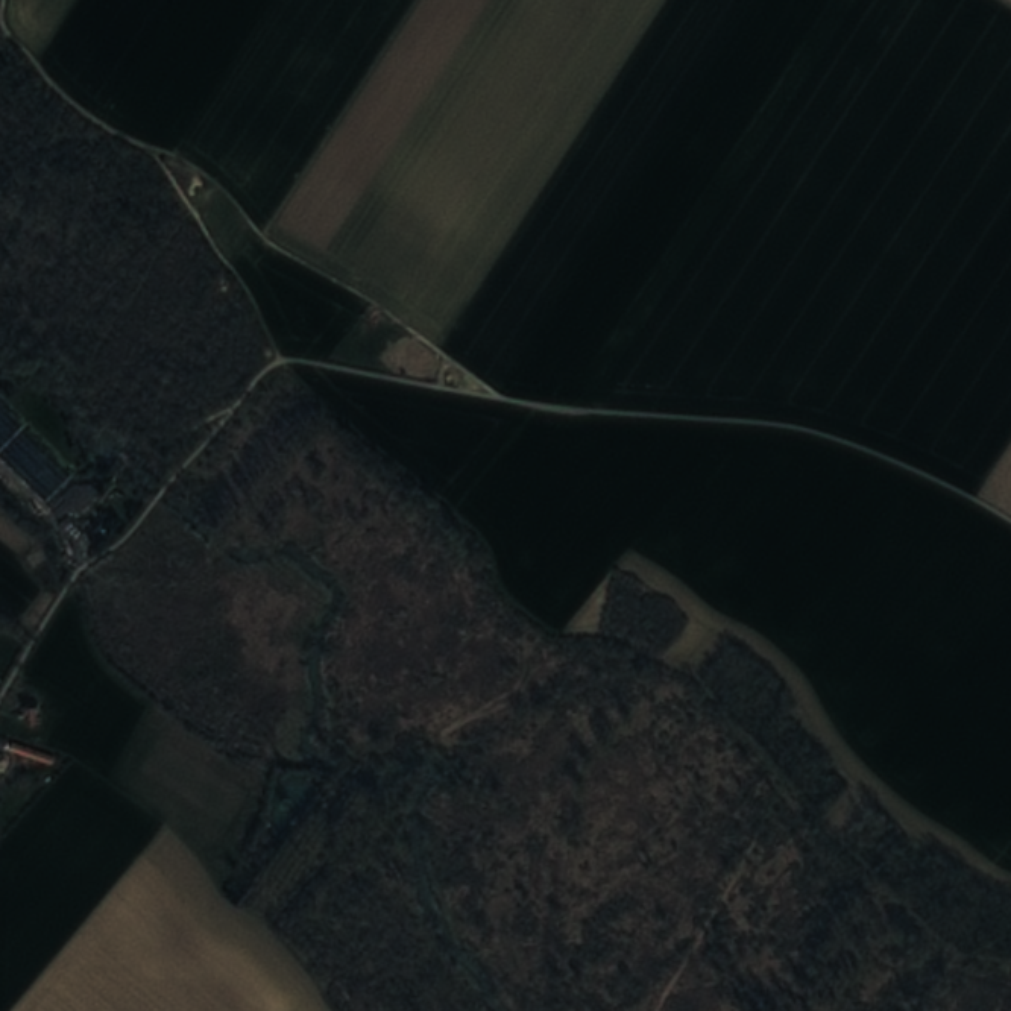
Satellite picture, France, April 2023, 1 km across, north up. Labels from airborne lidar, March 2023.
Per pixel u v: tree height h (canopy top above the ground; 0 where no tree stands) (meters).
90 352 11
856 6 0
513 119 0
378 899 24
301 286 0
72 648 0
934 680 0
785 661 0
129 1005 0
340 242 0
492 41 0
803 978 27
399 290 0
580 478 0
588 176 0
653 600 8
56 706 0
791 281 0
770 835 7
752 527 0
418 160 0
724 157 0
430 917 14
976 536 0
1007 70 0
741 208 0
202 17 0
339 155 0
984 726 0
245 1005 0
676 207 0
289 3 0
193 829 0
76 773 0
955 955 31
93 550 8
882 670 0
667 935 6
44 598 0
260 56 0
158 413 19
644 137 0
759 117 0
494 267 0
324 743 28
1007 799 0
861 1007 19
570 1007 19
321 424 31
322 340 0
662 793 0
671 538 0
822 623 0
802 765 23
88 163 6
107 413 6
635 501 0
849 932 35
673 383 0
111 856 0
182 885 0
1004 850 0
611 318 0
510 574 0
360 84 0
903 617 0
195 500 7
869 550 0
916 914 7
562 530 0
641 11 0
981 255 0
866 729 0
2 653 0
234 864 15
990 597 0
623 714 22
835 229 0
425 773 22
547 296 0
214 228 0
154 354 17
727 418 0
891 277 0
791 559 0
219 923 0
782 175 0
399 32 0
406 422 0
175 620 0
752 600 0
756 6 0
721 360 0
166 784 0
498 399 0
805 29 0
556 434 0
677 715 6
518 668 10
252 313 8
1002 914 24
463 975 0
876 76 0
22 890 0
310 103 0
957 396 0
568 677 7
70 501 0
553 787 0
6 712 0
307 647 6
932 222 0
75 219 21
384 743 18
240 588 0
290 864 25
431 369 0
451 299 0
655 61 0
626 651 17
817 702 0
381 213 0
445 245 0
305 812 5
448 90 0
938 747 0
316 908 27
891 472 0
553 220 0
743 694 19
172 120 0
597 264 0
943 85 0
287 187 0
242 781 0
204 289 14
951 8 0
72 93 0
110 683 0
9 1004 0
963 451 0
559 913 17
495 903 0
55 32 0
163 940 0
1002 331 0
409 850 12
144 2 0
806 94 0
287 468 39
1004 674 0
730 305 0
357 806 24
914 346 0
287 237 0
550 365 0
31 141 8
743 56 0
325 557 7
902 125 0
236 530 38
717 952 6
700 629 0
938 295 0
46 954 0
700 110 0
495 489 0
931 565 0
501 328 0
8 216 19
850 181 0
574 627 0
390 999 18
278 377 0
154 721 0
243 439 0
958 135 0
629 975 15
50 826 0
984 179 0
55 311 11
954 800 0
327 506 12
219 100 0
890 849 9
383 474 21
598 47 0
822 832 25
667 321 0
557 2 0
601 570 0
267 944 0
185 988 0
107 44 0
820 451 0
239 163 0
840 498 0
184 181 0
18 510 28
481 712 0
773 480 0
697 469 0
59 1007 0
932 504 0
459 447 0
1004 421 0
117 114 0
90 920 0
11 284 6
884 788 0
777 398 0
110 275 6
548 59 0
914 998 27
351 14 0
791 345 0
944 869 24
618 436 0
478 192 0
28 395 0
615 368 0
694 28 0
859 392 0
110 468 10
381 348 0
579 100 0
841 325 0
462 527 24
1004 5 0
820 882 9
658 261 0
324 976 15
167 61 0
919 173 0
